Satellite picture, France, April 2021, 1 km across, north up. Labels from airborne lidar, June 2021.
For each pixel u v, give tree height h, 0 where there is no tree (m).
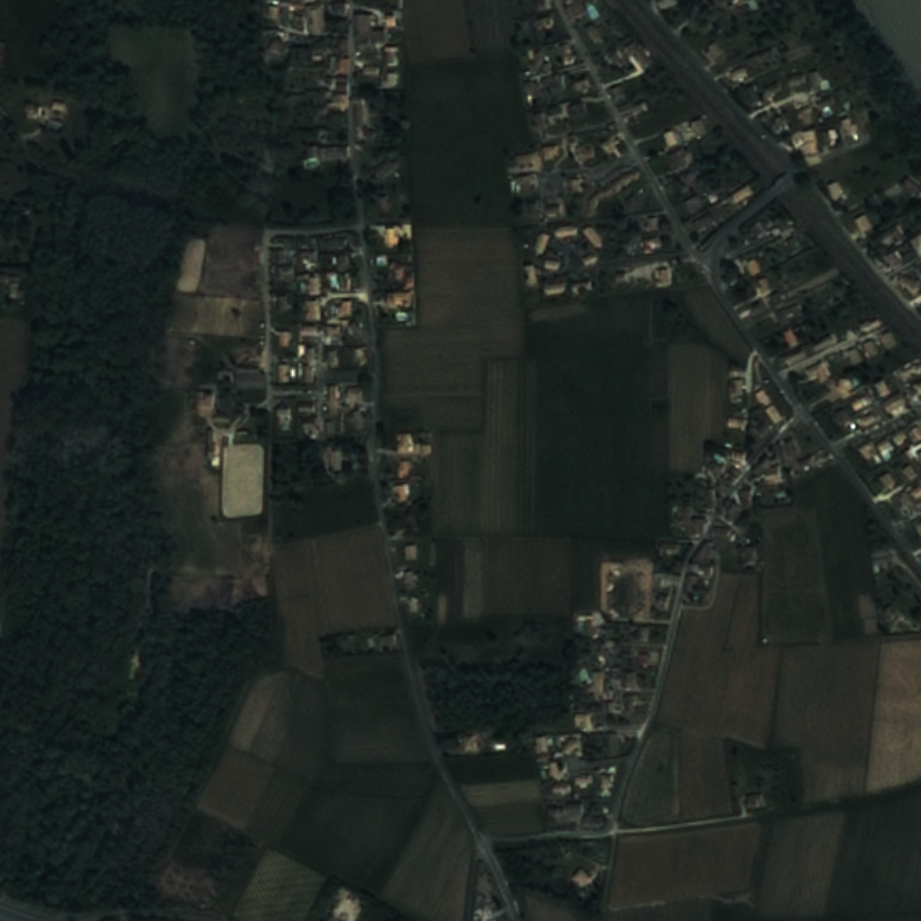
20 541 19
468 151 0
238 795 0
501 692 11
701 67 0
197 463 0
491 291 0
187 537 0
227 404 16
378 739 0
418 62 0
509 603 0
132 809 17
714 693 0
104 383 22
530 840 0
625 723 7
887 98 19
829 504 0
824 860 0
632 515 0
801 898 0
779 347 11
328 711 0
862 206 7
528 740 11
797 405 0
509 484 0
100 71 18
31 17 0
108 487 18
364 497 0
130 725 11
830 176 0
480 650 0
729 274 13
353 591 0
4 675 23
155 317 18
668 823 0
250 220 0
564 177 7
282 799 0
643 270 0
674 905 0
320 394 0
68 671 32
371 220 12
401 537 0
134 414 16
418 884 0
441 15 0
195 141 10
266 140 7
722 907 0
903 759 0
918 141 11
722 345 0
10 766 19
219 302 0
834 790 0
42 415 35
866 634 0
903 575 9
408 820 0
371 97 10
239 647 22
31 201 8
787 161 0
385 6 6
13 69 0
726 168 11
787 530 0
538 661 0
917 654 0
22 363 0
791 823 0
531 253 0
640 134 0
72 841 14
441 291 0
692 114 0
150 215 27
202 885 0
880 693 0
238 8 18
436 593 0
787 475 7
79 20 16
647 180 0
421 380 0
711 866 0
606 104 0
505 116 0
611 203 0
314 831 0
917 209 14
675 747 0
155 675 15
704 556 0
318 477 17
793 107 0
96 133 27
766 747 0
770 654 0
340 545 0
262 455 0
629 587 0
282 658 0
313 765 0
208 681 14
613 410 0
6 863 14
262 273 0
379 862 0
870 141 0
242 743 0
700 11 19
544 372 0
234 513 0
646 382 0
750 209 0
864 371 7
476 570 0
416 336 0
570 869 0
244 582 0
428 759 0
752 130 0
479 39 0
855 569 0
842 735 0
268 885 0
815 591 0
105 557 29
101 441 34
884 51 24
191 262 0
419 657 0
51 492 31
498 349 0
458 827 0
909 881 0
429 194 0
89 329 13
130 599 18
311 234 14
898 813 0
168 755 17
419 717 0
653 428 0
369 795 0
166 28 15
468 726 6
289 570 0
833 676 0
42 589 25
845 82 0
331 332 0
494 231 0
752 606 0
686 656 0
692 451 0
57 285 19
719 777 0
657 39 0
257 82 21
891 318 0
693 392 0
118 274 21
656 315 0
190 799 12
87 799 10
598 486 0
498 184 0
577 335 0
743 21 9
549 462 0
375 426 0
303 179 6
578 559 0
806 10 10
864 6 0
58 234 17
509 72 0
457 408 0
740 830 0
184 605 0
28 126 0
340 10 0
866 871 0
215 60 19
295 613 0
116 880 18
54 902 19
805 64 0
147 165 20
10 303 12
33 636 22
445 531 0
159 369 6
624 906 0
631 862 0
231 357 0
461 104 0
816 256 0
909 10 0
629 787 0
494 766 0
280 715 0
